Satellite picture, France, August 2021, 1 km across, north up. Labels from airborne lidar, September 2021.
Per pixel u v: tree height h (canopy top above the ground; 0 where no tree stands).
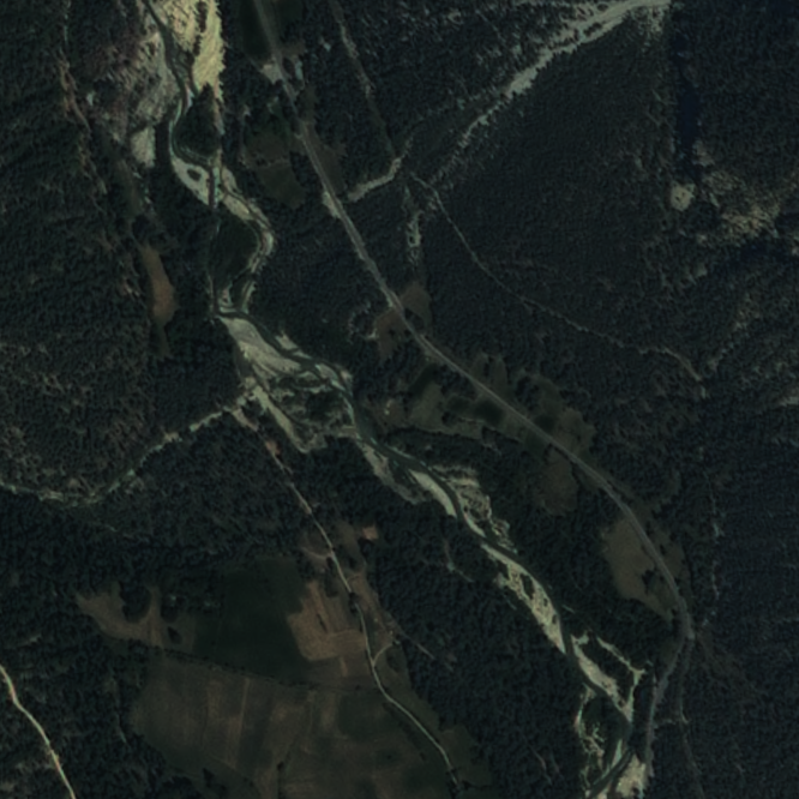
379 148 13
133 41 24
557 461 0
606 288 13
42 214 14
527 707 17
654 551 0
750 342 9
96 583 25
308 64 13
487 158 8
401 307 0
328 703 0
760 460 9
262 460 21
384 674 0
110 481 17
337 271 18
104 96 22
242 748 0
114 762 18
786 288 11
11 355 14
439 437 13
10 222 12
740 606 9
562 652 14
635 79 7
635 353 15
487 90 8
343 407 0
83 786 13
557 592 6
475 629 16
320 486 11
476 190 10
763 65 11
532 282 13
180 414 17
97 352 12
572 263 12
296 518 17
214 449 24
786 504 6
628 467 18
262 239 0
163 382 22
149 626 0
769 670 7
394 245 10
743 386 7
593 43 8
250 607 0
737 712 12
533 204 10
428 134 7
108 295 12
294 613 0
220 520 25
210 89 9
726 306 8
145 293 17
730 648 11
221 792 9
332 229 11
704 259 7
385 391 9
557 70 7
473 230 9
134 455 16
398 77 15
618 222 10
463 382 16
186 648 0
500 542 0
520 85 0
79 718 17
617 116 7
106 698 13
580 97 9
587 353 10
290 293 8
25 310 17
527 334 15
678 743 8
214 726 0
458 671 18
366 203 7
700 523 12
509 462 18
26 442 14
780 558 6
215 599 9
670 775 12
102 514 6
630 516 0
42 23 8
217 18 0
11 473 15
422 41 14
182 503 21
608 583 8
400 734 0
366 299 15
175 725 0
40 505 26
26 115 14
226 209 12
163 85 0
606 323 10
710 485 8
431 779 0
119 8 18
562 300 12
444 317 10
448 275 12
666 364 14
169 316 0
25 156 7
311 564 8
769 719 9
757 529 7
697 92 49
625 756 0
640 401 16
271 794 0
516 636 17
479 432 0
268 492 6
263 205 10
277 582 0
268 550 19
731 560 11
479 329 12
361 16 14
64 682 14
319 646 0
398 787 0
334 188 0
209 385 19
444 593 17
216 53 0
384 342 0
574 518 10
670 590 0
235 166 8
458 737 0
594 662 7
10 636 17
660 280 11
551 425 0
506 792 14
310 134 0
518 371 9
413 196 5
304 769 0
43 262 13
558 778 14
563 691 19
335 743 0
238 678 0
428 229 8
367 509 8
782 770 8
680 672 6
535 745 16
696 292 10
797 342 10
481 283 11
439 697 21
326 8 10
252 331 0
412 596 18
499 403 0
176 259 8
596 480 0
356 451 10
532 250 10
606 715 15
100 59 16
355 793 0
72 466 12
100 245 12
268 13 0
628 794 0
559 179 6
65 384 13
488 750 19
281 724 0
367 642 0
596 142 7
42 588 30
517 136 11
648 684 8
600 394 14
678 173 7
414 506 16
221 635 0
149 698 0
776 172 9
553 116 8
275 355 0
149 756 23
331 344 7
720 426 23
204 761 0
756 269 9
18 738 7
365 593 0
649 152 8
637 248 11
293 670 0
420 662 14
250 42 0
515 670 19
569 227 7
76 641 25
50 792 9
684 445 13
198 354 18
